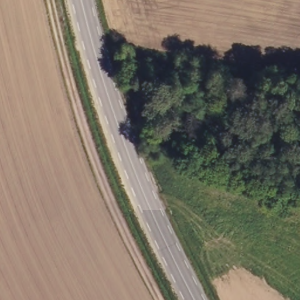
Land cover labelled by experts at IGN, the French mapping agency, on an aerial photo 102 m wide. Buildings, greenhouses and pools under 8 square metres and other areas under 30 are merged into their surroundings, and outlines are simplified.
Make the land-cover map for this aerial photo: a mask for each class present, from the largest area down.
<instances>
[{"label":"agricultural land","instance_id":"1","mask_svg":"<svg viewBox=\"0 0 300 300\"><path fill-rule=\"evenodd\" d=\"M0 300H151L117 237L91 178L64 97L42 0H0ZM109 28L117 30L127 41L138 46L135 50L136 61H142L148 66H157L159 61L176 63L180 53L189 55L192 59H199L200 56L206 59H223L226 55L232 60L250 63L253 68H260L262 63H267V66L284 68L289 76L300 77V0H102ZM146 168L156 179L158 197L162 200L166 216L169 217L172 229L209 300H300V200L296 207H291V212H275L259 205L258 200H250L243 196V192L239 196H233L223 185L213 190L207 178L200 182L196 176L190 178L193 171L179 165L164 154L158 159H144Z\"/></svg>","mask_w":300,"mask_h":300},{"label":"coniferous trees","instance_id":"2","mask_svg":"<svg viewBox=\"0 0 300 300\"><path fill-rule=\"evenodd\" d=\"M138 46L127 41L124 42L122 53L115 54V60L122 61V69L111 79L125 100L127 118L130 121L127 139L134 144L137 155L144 159H158L164 154L179 165L182 159H191L198 152L204 156L217 151V157L209 163H203L200 168L212 170L224 163L229 165L231 176L236 177L241 173L245 184L251 180L264 182L265 178H270L274 185H270L268 190L277 189L278 195H284L286 182L293 180L294 191L296 195H300V77L289 76L284 68L267 66V63H262L260 68H253L250 63L232 60L226 55L223 59H206L200 56L199 59H192L189 55L180 53L176 63L159 61L157 66H148L142 61H136L135 50Z\"/></svg>","mask_w":300,"mask_h":300},{"label":"impervious surface","instance_id":"3","mask_svg":"<svg viewBox=\"0 0 300 300\"><path fill-rule=\"evenodd\" d=\"M75 36V47L80 53L91 101L112 162L121 178L138 224L178 300H209L172 229L169 217L166 216L162 200L158 197L156 179L146 168L144 159L137 155L134 144L127 139L130 121L127 118L125 100L111 79L98 61L102 56L103 32L95 0H64Z\"/></svg>","mask_w":300,"mask_h":300},{"label":"herbaceous vegetation","instance_id":"4","mask_svg":"<svg viewBox=\"0 0 300 300\"><path fill-rule=\"evenodd\" d=\"M71 71L97 155L100 157L118 209L121 210L131 236L164 300H178L138 224L121 178L112 162L91 101L80 53L75 47V36L64 0H55ZM103 32L102 56L98 61L111 79L122 69V61L115 60V54L122 53L124 42L127 41L117 30L109 28L102 0H95Z\"/></svg>","mask_w":300,"mask_h":300},{"label":"pervious surface","instance_id":"5","mask_svg":"<svg viewBox=\"0 0 300 300\"><path fill-rule=\"evenodd\" d=\"M64 97L91 178L117 237L151 300H164L131 236L121 210L118 209L100 157L97 155L71 71L55 0H42Z\"/></svg>","mask_w":300,"mask_h":300},{"label":"deciduous trees","instance_id":"6","mask_svg":"<svg viewBox=\"0 0 300 300\"><path fill-rule=\"evenodd\" d=\"M217 151L204 156L198 152L191 159H182L179 165L193 171L190 178L196 176L200 182L207 178L213 190L223 185L233 196H239L243 192V196L250 200H258L259 205L275 212H291V207H296L300 200V195H296L294 191L293 180L286 182L284 195H278L277 189L268 190L270 185H274L270 178H265L264 182L251 180L245 184L241 173L236 177L231 176L229 165L224 163L212 170L200 168L203 163H209L217 157Z\"/></svg>","mask_w":300,"mask_h":300}]
</instances>
